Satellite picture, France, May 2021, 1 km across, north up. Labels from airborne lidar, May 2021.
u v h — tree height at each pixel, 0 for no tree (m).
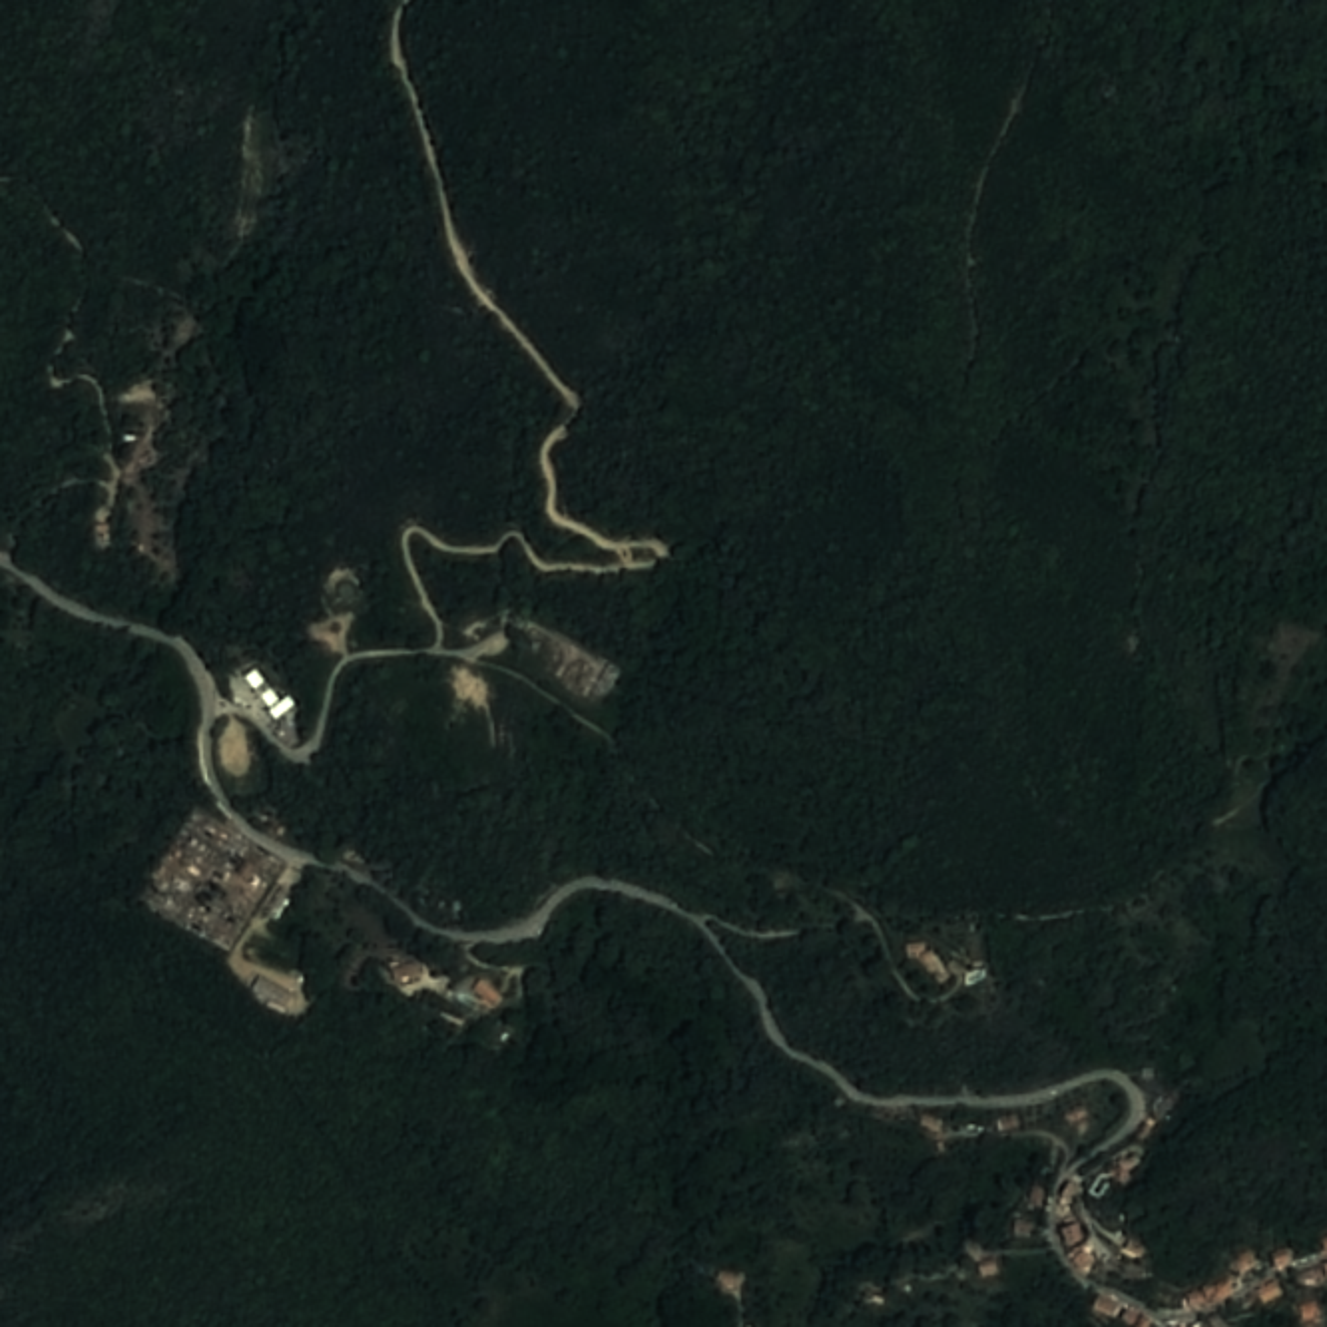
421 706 0
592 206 11
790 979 6
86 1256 11
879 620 10
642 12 8
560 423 8
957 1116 13
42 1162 9
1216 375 8
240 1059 11
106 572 11
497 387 10
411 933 12
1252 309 7
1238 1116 6
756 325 10
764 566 12
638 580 13
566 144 7
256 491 13
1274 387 11
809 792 8
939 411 13
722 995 12
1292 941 17
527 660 0
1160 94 13
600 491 8
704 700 6
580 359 7
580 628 6
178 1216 10
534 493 9
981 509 12
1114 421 9
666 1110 20
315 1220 11
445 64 9
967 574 7
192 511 11
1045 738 8
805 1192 12
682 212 13
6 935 8
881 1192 10
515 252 7
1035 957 14
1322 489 14
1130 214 8
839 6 7
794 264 8
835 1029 7
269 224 15
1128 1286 9
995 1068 7
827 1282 10
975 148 7
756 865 12
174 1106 9
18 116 11
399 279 12
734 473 16
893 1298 11
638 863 6
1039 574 16
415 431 9
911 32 7
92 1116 12
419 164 6
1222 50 20
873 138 8
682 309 9
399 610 0
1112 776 6
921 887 6
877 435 14
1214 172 9
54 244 9
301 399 14
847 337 9
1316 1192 8
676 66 10
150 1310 8
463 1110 12
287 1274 9
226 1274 9
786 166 8
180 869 0
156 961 10
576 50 8
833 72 8
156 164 9
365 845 8
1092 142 10
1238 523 11
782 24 13
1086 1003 8
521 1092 13
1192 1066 8
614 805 9
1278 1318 7
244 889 0
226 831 0
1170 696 9
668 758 9
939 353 13
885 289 8
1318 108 15
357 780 11
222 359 17
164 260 8
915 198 10
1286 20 15
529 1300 0
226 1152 8
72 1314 9
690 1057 25
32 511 12
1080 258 13
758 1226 11
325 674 0
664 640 25
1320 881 15
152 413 0
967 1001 13
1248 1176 7
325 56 8
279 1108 10
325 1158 6
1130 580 6
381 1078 12
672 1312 21
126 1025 13
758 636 11
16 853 13
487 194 7
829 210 8
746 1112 20
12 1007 10
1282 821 13
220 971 8
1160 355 9
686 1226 8
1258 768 8
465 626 0
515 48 6
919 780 6
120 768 10
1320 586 14
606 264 7
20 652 17
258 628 9
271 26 13
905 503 13
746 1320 7
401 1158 15
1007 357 8
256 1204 10
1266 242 10
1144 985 8
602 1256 6
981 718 10
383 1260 8
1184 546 7
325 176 8
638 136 7
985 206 6
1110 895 11
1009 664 11
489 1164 13
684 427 12
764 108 10
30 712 12
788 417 14
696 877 9
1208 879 7
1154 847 11
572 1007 15
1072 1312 8
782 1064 9
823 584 9
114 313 9
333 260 15
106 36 6
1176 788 9
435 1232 9
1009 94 6
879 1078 7
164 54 6
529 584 11
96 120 7
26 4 6
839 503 8
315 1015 11
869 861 8
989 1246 9
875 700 9
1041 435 11
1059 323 11
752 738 10
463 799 7
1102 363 11
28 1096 11
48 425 7
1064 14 11
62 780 15
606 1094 14
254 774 0
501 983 6
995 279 6
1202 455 9
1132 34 16
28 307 14
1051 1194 8
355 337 9
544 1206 9
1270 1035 8
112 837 15
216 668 12
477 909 8
